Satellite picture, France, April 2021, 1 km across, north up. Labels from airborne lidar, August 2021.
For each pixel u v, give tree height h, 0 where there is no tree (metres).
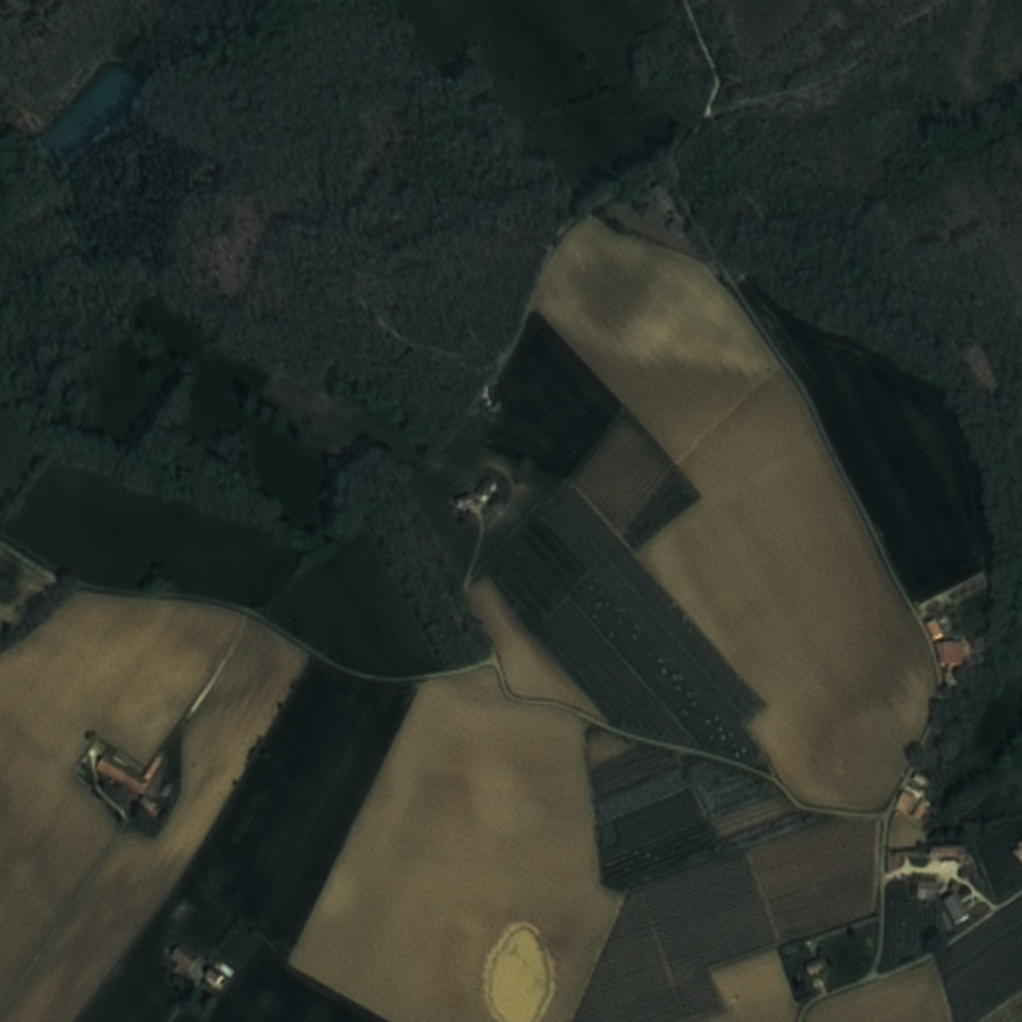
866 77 13
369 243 15
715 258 18
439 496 0
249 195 11
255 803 0
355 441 0
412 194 21
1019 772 0
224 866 0
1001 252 14
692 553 0
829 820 0
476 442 0
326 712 0
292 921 0
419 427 25
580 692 0
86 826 0
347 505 27
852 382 0
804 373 0
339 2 24
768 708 0
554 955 0
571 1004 0
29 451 0
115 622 0
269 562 0
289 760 0
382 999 0
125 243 17
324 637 0
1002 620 19
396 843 0
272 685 0
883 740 0
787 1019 0
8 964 0
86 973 0
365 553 0
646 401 0
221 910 0
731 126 11
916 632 0
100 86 0
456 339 19
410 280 17
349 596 0
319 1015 0
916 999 0
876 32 18
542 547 0
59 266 25
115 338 21
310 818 0
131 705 0
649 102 0
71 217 18
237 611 0
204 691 0
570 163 0
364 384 25
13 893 0
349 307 15
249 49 25
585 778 0
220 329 22
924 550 0
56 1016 0
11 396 16
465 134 12
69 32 19
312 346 19
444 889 0
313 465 0
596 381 0
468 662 21
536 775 0
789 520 0
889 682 0
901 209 7
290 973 0
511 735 0
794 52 14
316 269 12
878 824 0
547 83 0
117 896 0
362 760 0
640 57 17
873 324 20
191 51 19
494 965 0
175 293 27
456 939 0
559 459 0
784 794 0
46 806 0
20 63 24
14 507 19
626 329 0
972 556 0
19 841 0
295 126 20
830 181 7
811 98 7
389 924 0
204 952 0
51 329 24
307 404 0
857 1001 0
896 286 16
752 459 0
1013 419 20
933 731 10
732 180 7
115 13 22
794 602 0
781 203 15
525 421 0
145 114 25
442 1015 0
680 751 0
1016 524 25
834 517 0
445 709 0
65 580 16
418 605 19
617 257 0
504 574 0
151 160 18
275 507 21
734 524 0
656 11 0
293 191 16
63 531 0
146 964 0
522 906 0
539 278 14
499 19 0
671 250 0
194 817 0
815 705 0
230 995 0
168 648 0
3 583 0
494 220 7
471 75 23
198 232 17
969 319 15
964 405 24
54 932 0
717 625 0
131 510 0
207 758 0
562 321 0
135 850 0
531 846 0
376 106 19
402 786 0
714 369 0
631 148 0
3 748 0
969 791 17
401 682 0
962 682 14
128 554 0
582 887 0
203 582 0
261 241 9
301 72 23
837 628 0
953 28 10
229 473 24
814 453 0
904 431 0
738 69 14
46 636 0
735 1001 0
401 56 25
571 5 0
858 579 0
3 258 21
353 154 16
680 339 0
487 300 19
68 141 0
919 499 0
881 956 0
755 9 0
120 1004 0
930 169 12
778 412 0
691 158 20
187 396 17
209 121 23
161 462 21
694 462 0
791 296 20
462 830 0
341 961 0
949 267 18
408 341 19
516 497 0
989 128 29
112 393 0
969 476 0
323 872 0
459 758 0
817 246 19
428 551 19
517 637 0
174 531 0
